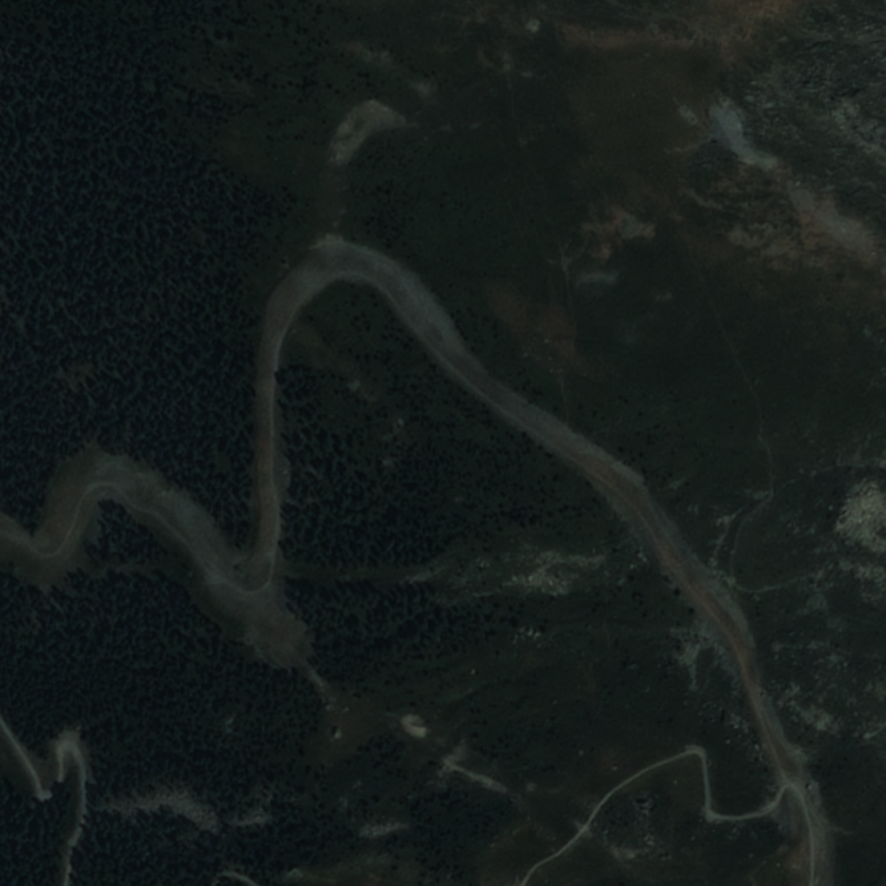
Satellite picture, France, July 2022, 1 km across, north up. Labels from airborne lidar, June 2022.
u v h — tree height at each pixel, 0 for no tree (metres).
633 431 0
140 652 13
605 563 0
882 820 0
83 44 17
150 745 11
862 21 0
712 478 0
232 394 22
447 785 0
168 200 16
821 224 0
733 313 0
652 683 0
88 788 0
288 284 0
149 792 19
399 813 0
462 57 0
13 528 0
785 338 0
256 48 0
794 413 0
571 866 0
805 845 0
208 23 9
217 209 20
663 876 0
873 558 0
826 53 0
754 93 0
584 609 0
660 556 0
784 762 0
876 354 0
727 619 0
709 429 0
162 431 19
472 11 0
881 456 0
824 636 0
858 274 0
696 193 0
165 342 20
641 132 0
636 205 0
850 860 0
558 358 0
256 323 15
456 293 0
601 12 0
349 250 0
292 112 0
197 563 0
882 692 0
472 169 0
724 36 0
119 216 12
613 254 0
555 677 0
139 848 17
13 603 17
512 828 0
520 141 0
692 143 0
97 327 21
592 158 0
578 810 0
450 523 10
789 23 0
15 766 0
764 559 0
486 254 0
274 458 0
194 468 18
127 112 21
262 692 13
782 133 0
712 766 0
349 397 9
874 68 0
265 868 13
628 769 0
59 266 21
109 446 20
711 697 0
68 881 0
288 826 7
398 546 22
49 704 13
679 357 0
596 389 0
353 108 0
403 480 7
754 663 0
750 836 0
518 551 0
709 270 0
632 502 0
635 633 0
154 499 0
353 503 19
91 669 12
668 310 0
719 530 0
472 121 0
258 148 0
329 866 0
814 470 0
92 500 0
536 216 0
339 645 14
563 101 0
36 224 25
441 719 0
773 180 0
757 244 0
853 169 0
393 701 0
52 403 12
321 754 0
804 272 0
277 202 7
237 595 0
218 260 9
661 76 0
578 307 0
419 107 0
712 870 0
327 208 0
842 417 0
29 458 21
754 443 0
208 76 0
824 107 0
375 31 0
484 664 0
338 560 22
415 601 20
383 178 0
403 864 0
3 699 13
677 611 0
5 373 13
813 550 0
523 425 0
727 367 0
